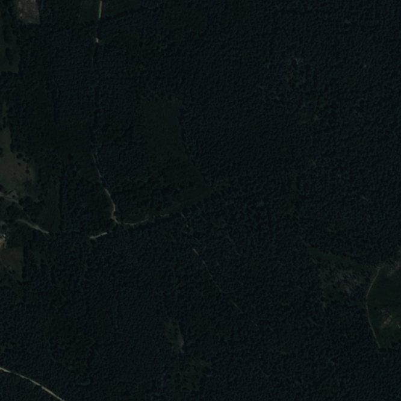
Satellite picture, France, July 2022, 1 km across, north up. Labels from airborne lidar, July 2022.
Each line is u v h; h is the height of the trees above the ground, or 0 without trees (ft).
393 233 72
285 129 61
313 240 80
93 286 91
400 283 0
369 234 68
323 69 115
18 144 56
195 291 83
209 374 79
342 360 94
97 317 51
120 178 77
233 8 60
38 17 0
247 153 76
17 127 52
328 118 57
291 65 40
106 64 87
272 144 70
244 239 96
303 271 110
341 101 117
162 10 62
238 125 57
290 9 23
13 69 0
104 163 67
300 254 26
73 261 66
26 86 67
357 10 94
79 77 95
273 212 87
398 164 96
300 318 85
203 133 71
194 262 88
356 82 100
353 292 75
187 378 47
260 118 74
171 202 85
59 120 94
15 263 0
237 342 91
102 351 93
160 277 72
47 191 82
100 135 92
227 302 62
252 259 93
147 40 29
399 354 79
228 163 79
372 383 72
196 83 70
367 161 72
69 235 77
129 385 94
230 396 80
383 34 102
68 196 79
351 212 64
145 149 68
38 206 63
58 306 60
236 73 78
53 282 36
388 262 79
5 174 0
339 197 72
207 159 73
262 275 78
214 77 69
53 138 25
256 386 73
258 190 88
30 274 64
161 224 86
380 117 111
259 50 78
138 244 96
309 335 33
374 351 72
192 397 59
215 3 86
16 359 69
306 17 80
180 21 55
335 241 76
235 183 89
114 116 92
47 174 56
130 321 107
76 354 33
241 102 84
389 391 53
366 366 84
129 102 87
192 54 78
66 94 87
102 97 114
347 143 106
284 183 83
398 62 95
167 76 76
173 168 24
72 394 78
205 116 73
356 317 70
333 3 91
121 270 45
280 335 90
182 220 48
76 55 93
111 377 80
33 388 73
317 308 105
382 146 96
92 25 69
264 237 78
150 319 89
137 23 81
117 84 92
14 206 32
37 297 38
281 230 90
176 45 70
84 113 95
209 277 62
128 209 94
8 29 59
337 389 86
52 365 84
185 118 82
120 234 87
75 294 82
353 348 86
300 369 95
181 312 70
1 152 34
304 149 98
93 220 91
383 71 100
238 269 99
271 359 42
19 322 77
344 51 108
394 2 84
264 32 55
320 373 61
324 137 94
